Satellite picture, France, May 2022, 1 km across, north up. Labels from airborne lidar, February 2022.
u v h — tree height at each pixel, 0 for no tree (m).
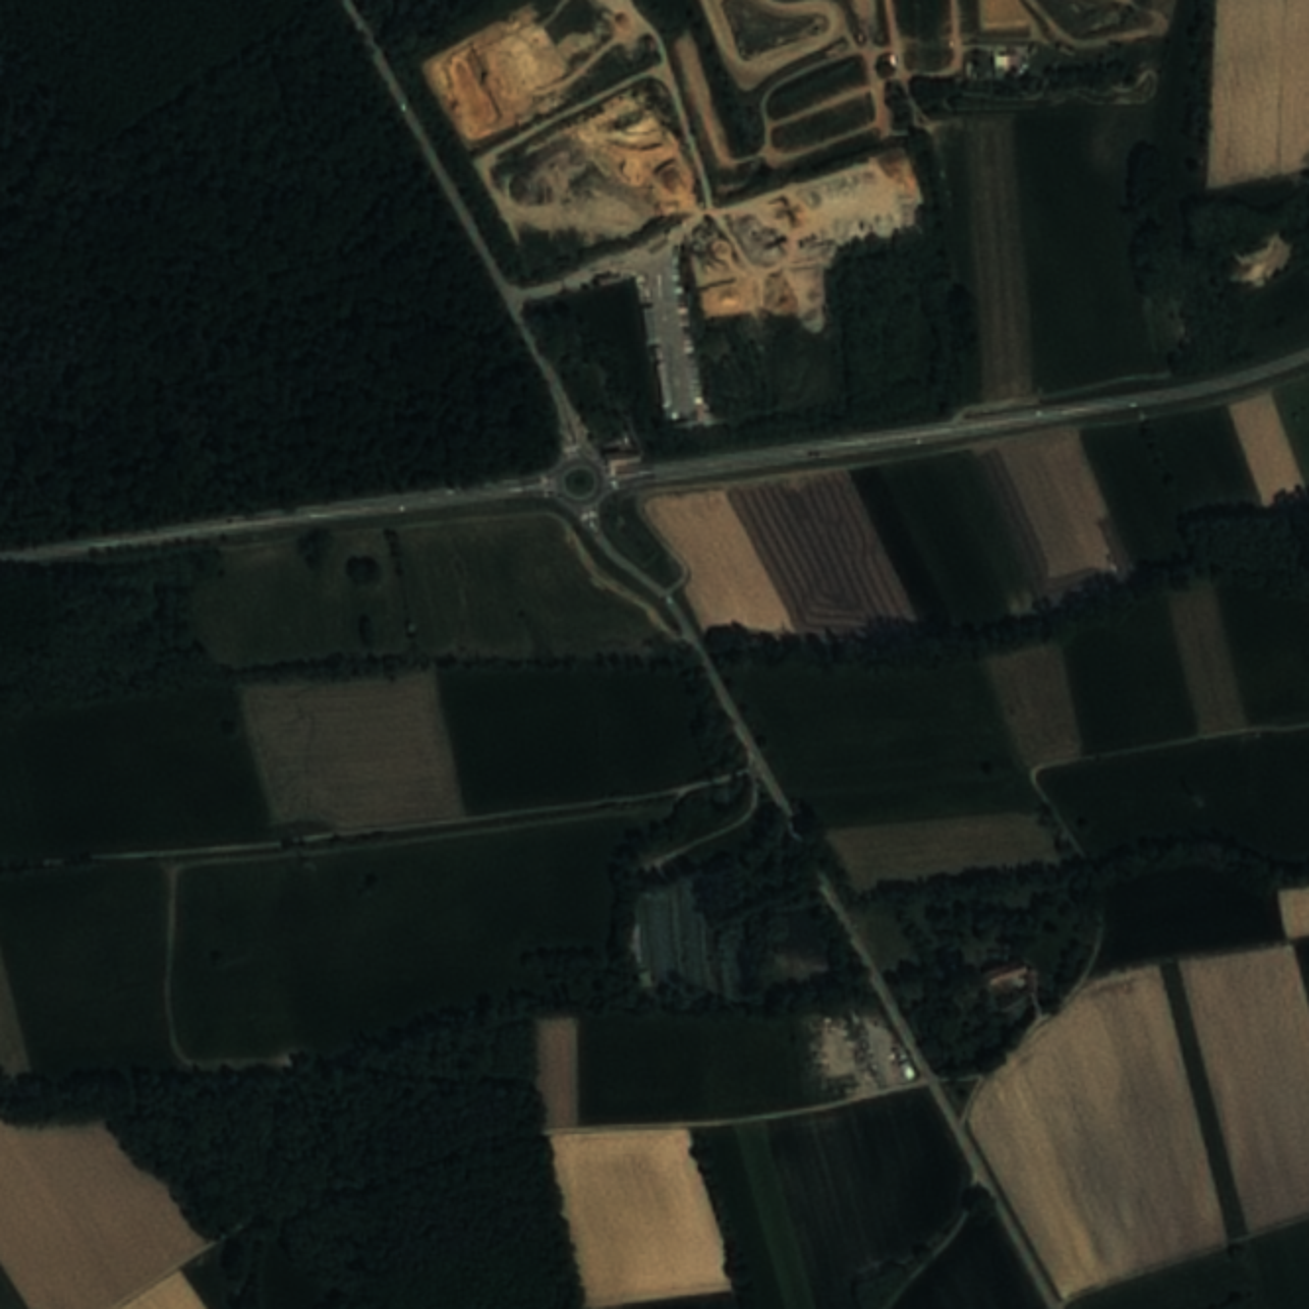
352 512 0
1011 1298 0
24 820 0
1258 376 0
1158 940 0
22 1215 0
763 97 0
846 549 0
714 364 0
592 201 0
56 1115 16
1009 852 0
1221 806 0
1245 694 0
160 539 0
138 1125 19
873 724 0
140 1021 0
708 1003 11
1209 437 0
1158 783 0
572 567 0
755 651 18
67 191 21
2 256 27
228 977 0
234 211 26
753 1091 0
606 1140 0
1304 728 0
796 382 0
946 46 0
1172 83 0
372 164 24
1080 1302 0
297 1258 20
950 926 12
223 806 0
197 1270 0
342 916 0
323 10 21
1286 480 0
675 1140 0
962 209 0
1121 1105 0
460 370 13
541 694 0
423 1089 20
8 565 0
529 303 0
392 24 19
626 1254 0
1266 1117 0
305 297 22
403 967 0
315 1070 15
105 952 0
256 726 0
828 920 12
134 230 26
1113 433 0
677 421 6
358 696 0
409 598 0
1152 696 0
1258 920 0
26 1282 0
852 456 0
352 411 27
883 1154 0
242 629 0
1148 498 0
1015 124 0
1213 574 21
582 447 0
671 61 0
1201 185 0
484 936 0
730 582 0
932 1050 15
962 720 0
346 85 26
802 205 0
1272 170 0
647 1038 0
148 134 25
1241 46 0
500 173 0
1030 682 0
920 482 0
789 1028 0
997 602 0
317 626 0
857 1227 0
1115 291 0
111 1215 0
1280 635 0
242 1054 0
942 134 0
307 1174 24
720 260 0
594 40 0
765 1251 0
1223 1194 0
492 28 0
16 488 24
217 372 25
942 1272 0
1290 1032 0
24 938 0
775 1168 0
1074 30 0
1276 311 0
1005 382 0
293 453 28
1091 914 18
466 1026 20
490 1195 20
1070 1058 0
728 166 0
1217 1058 0
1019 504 0
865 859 0
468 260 13
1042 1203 0
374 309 28
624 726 0
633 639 0
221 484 30
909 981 18
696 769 0
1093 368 0
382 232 23
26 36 14
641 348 0
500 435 26
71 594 21
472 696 0
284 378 28
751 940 14
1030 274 0
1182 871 0
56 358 26
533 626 0
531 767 0
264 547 0
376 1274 19
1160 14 0
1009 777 0
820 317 0
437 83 0
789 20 0
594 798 0
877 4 0
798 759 0
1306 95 0
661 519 0
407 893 0
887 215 0
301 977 0
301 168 28
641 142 0
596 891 0
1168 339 0
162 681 19
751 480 0
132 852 0
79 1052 0
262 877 0
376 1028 0
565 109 0
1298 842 0
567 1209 0
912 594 0
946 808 0
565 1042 0
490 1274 18
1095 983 0
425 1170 19
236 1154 21
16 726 0
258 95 28
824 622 0
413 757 0
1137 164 14
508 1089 22
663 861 0
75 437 26
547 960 14
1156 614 0
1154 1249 0
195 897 0
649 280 0
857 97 0
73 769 0
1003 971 0
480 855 0
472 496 0
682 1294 0
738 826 0
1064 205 0
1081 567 0
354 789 0
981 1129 0
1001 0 0
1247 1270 0
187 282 27
